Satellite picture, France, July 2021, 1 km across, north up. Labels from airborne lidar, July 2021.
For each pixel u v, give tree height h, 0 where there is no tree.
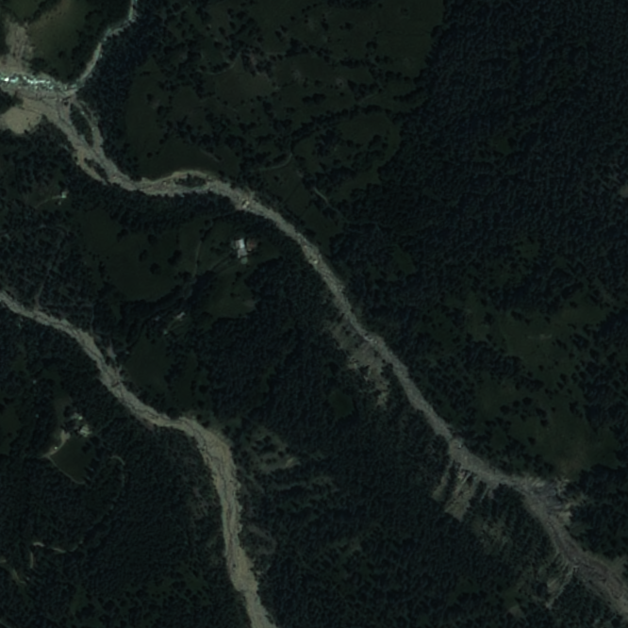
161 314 12
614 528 16
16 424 0
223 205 21
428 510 27
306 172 13
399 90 0
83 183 19
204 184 9
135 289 0
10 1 10
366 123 0
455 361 10
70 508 35
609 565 0
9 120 0
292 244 14
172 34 23
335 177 24
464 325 21
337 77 0
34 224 13
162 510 13
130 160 18
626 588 0
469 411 17
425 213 16
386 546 28
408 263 0
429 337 15
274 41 0
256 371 21
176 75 9
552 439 0
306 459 23
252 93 0
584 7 37
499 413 0
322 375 23
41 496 13
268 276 16
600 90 23
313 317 22
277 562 15
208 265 0
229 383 27
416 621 27
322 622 26
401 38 0
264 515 9
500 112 19
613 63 26
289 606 23
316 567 12
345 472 30
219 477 0
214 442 0
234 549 0
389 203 15
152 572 14
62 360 31
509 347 0
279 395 30
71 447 0
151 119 0
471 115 9
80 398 16
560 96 26
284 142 10
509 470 12
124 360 11
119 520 19
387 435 7
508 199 33
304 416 11
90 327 12
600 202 26
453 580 25
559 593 0
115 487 11
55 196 0
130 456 12
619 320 29
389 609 20
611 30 21
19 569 27
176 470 16
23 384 32
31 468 24
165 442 14
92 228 0
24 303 7
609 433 0
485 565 27
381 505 28
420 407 0
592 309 0
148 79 0
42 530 19
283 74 0
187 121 6
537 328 0
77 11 0
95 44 14
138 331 17
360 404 26
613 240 27
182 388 0
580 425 0
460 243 19
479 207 23
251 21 16
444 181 19
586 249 29
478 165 23
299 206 0
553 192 32
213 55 0
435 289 34
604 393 29
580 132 34
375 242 24
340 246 8
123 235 13
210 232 8
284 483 13
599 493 19
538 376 0
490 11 29
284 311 28
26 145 9
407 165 10
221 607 20
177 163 0
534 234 12
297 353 13
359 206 12
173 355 11
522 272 24
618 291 22
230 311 0
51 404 14
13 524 11
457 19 26
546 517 0
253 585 0
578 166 28
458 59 32
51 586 23
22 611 20
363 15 0
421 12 0
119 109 7
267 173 0
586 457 0
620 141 11
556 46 15
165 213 17
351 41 0
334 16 0
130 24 0
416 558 23
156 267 14
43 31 0
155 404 13
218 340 13
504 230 31
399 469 22
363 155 8
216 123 18
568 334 0
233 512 0
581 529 0
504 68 24
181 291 14
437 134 14
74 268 13
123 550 12
